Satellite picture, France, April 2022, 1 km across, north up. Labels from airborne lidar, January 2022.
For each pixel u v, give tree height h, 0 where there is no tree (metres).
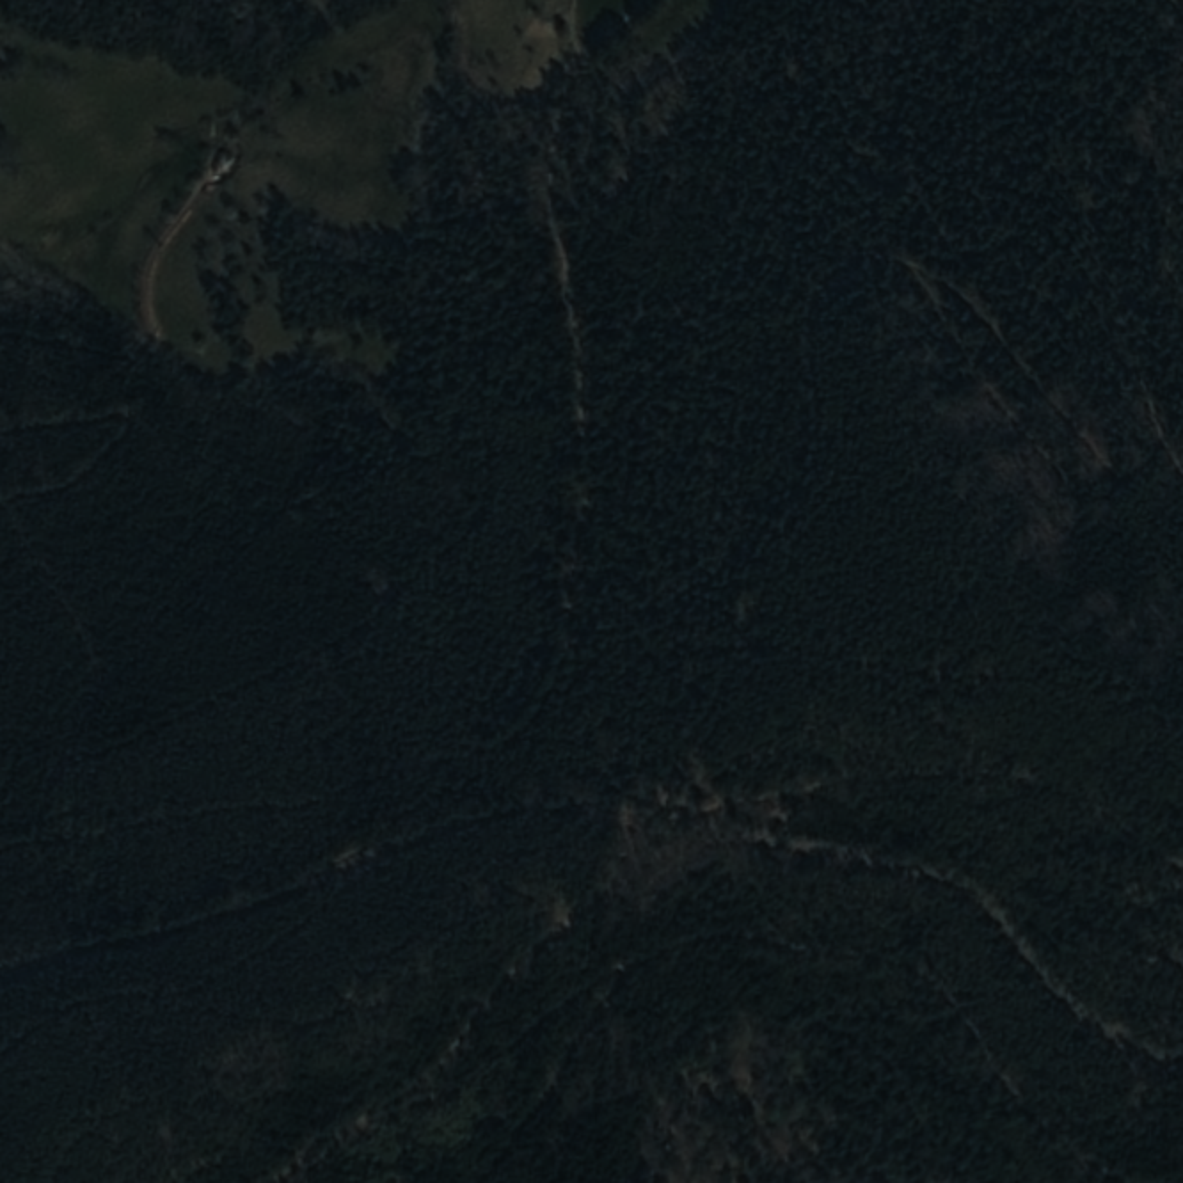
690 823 24
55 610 10
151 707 21
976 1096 14
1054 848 21
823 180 26
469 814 21
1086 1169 13
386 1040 18
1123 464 21
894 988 16
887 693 22
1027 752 20
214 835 16
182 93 0
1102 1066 21
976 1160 14
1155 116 30
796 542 16
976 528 18
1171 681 15
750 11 26
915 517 18
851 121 27
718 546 19
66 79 20
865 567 22
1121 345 29
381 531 20
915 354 16
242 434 17
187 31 26
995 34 34
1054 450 19
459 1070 13
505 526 26
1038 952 20
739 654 21
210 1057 19
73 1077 12
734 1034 33
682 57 14
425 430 27
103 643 12
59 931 15
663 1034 25
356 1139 15
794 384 9
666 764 22
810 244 14
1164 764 15
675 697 23
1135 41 29
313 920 20
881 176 13
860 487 16
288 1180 7
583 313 8
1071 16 25
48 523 11
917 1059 14
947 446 17
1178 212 29
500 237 24
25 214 0
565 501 12
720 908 20
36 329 17
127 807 19
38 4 19
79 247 0
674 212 13
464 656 26
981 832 22
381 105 0
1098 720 16
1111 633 17
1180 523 22
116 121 0
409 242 11
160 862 19
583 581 26
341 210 0
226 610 19
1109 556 17
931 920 25
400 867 20
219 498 14
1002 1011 19
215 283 19
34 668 10
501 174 21
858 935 12
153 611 14
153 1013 17
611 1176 30
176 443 15
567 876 18
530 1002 16
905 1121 15
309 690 19
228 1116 26
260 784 17
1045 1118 10
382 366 0
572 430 17
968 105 33
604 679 19
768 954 12
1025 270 20
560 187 20
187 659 16
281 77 15
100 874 17
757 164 17
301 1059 20
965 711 23
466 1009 19
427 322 21
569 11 0
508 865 19
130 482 15
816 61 25
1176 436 13
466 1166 22
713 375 22
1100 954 16
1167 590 14
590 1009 21
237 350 17
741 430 10
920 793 23
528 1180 20
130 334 15
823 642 19
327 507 17
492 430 24
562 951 26
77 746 13
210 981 19
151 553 14
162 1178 19
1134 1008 15
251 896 23
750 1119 33
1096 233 22
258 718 18
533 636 26
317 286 20
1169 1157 18
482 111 19
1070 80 24
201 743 17
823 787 8
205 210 0
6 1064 15
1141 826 6
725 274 8
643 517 22
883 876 26
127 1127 15
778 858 23
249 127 13
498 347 26
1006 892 23
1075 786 20
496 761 23
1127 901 22
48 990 16
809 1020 22
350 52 0
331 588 16
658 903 23
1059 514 21
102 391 16
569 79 19
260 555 19
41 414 17
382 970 18
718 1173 40
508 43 0
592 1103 17
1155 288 32
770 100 13
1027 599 22
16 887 12
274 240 15
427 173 18
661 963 23
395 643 23
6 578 11
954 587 14
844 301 16
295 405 21
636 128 20
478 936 19
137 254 0
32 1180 13
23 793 10
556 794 34
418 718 22
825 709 16
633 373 25
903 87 28
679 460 9
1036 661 17
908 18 23
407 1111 12
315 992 15
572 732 27
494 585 28
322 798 20
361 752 21
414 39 0
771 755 22
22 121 0
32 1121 13
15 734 11
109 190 0
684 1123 36
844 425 15
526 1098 26
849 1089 26
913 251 19
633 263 9
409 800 21
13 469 15
